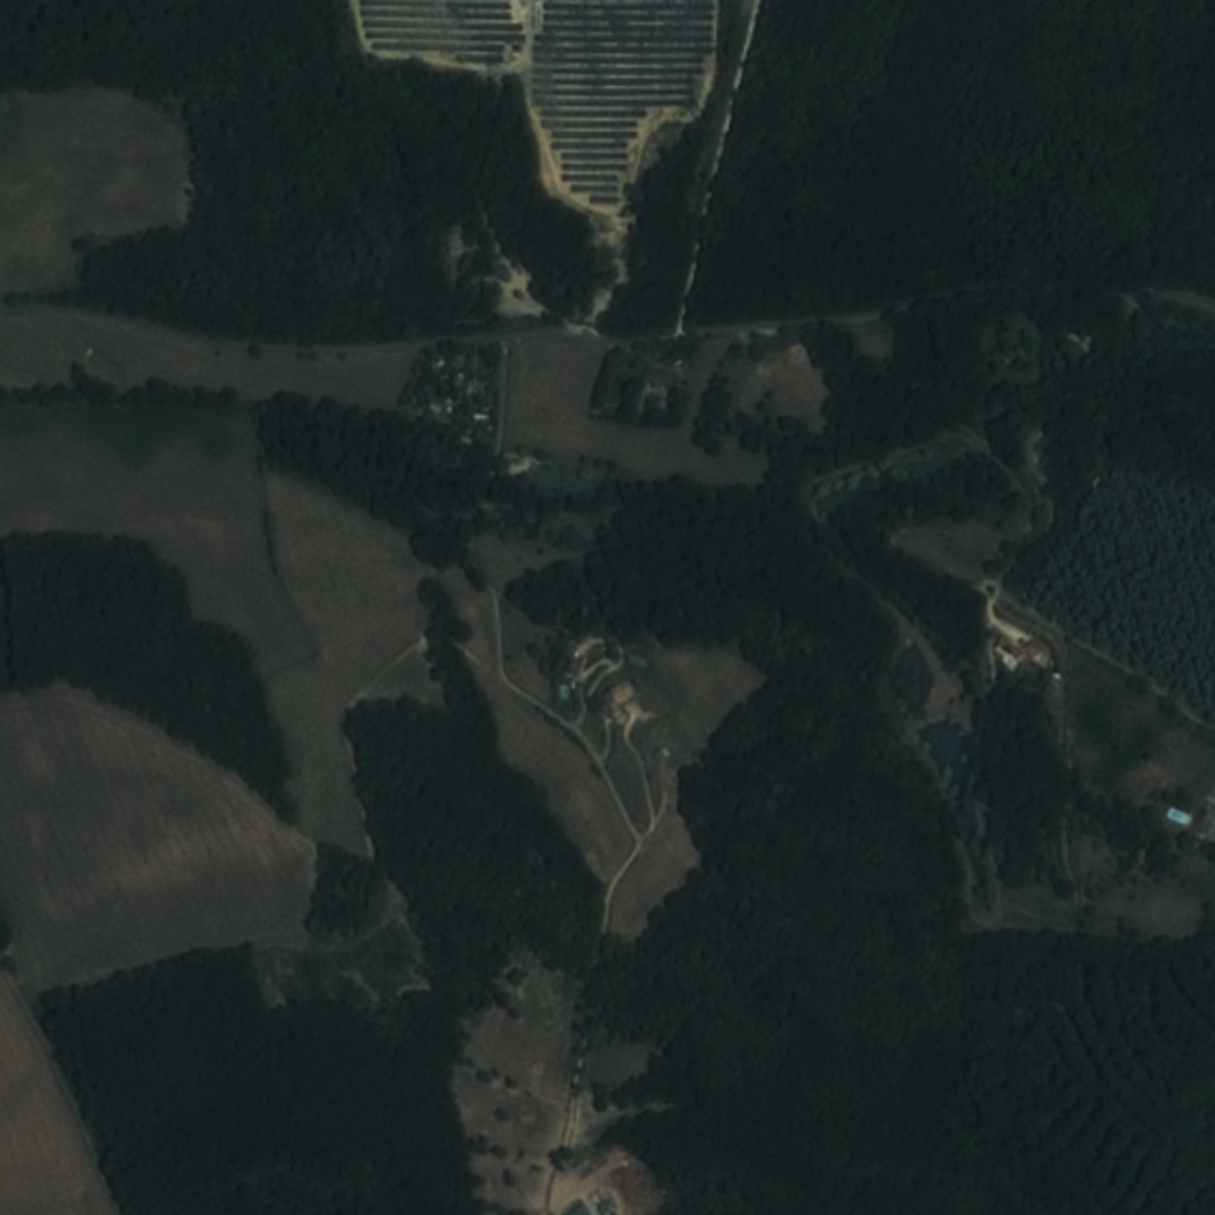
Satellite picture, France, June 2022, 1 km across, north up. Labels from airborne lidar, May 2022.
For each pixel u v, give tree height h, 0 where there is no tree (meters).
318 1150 21
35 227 0
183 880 0
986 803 13
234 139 20
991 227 21
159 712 15
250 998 20
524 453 7
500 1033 0
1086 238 22
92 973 0
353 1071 18
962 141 17
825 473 19
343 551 0
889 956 19
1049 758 23
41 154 0
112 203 0
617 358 8
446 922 18
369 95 18
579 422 0
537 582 22
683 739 0
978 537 0
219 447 0
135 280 20
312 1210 20
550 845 18
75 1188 0
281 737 10
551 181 0
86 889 0
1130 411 23
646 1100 13
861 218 13
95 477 0
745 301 12
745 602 18
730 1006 19
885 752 19
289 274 26
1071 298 24
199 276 14
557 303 12
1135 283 17
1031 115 15
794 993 17
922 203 14
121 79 15
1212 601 19
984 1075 32
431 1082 18
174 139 0
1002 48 18
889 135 14
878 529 15
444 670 18
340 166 13
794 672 22
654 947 22
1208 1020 22
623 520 22
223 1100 22
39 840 0
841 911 15
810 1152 20
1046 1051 22
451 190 17
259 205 21
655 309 17
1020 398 19
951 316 22
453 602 13
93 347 0
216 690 17
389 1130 21
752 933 19
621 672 0
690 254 10
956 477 21
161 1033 22
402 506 15
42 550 16
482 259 12
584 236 15
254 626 0
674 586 18
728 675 0
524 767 0
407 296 12
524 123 14
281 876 0
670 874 0
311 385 0
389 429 20
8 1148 0
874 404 20
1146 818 12
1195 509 13
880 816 17
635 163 0
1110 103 14
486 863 21
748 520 17
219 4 15
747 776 18
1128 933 9
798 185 12
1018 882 19
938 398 21
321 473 14
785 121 19
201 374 0
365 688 0
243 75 22
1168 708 11
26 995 0
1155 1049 23
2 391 15
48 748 0
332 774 0
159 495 0
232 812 0
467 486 23
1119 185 19
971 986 25
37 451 0
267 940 0
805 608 19
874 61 17
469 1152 15
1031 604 14
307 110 10
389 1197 16
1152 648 18
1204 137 19
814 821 17
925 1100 20
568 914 18
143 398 20
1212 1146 17
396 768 15
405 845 15
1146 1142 15
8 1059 0
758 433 17
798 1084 24
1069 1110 19
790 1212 22
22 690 12
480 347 7
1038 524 8
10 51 13
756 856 17
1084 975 7
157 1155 18
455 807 22
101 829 0
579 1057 7
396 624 0
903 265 13
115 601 21
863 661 14
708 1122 23
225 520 0
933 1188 20
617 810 0
